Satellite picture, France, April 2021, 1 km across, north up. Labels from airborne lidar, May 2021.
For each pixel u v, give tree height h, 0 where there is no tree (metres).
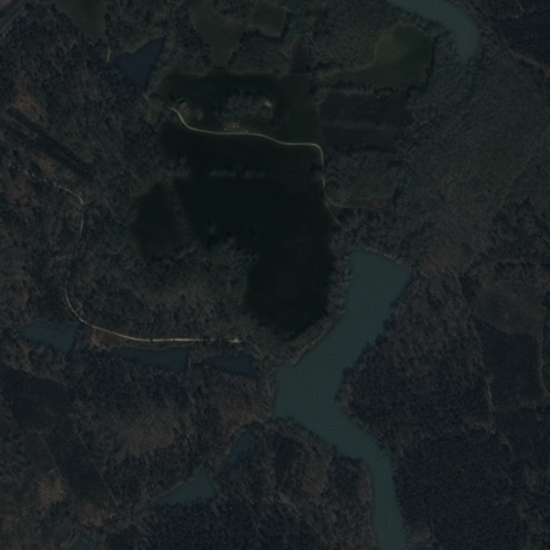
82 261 8
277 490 14
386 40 0
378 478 0
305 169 0
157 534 17
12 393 8
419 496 18
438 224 20
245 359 0
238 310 14
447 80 24
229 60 0
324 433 0
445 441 18
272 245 0
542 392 12
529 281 6
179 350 0
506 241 8
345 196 20
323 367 0
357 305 0
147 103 19
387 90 11
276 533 19
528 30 14
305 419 0
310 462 19
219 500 10
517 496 21
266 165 0
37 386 6
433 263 17
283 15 0
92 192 14
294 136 0
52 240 10
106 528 22
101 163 25
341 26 26
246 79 0
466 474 19
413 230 20
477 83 16
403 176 25
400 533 0
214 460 12
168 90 0
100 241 24
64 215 11
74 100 14
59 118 14
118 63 0
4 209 21
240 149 0
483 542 22
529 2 13
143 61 0
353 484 25
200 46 21
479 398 17
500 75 20
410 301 15
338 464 17
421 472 20
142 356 0
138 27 18
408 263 16
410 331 10
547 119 18
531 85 15
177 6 13
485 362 13
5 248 7
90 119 16
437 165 16
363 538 15
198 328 20
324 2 19
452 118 21
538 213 10
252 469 23
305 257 0
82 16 0
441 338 11
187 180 0
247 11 21
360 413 18
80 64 23
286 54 21
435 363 14
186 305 24
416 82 0
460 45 0
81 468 8
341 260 11
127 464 10
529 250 11
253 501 17
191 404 23
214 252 25
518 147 17
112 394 28
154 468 26
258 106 17
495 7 21
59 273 25
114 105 13
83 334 8
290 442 7
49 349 8
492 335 13
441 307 15
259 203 0
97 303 22
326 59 14
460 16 0
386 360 20
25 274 19
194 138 0
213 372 10
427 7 0
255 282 0
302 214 0
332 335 0
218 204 0
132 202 19
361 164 14
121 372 28
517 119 18
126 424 13
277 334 15
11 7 12
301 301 0
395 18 20
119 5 21
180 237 0
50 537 8
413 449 7
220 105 0
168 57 16
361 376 15
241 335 11
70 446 7
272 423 15
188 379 16
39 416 8
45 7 7
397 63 0
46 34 21
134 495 18
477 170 19
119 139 21
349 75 0
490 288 0
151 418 20
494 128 18
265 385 14
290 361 18
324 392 0
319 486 19
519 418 11
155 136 25
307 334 17
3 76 23
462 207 14
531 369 12
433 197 18
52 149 9
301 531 7
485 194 15
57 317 24
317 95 25
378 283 0
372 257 0
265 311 0
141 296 17
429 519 18
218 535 22
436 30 20
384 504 0
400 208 27
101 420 16
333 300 20
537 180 9
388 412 20
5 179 17
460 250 16
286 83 0
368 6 26
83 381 23
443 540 19
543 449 11
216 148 0
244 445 0
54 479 0
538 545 18
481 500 17
